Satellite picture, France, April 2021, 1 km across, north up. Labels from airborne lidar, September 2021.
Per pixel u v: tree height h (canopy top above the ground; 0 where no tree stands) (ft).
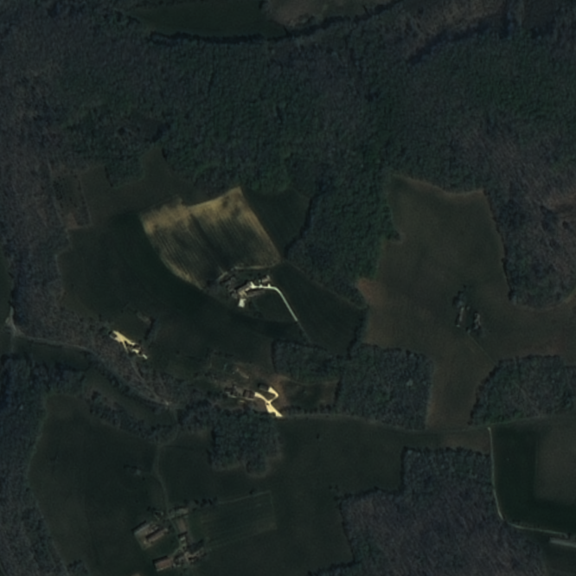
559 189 62
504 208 83
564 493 0
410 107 52
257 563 0
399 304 0
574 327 0
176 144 81
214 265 0
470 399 0
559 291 73
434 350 0
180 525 0
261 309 0
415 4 21
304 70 52
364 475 0
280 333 0
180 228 0
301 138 74
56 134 36
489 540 73
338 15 0
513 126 71
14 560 44
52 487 0
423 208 0
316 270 68
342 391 66
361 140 69
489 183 67
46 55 49
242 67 76
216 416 80
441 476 65
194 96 80
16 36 24
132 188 0
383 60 70
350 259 77
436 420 0
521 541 74
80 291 0
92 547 0
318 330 0
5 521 44
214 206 0
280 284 0
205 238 0
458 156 85
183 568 20
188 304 0
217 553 0
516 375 48
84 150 27
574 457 0
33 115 51
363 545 56
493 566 62
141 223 0
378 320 0
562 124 78
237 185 60
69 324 41
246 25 0
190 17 0
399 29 29
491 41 64
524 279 70
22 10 56
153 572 0
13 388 76
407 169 73
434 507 84
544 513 0
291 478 0
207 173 26
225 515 0
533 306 47
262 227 0
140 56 82
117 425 43
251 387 0
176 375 0
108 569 0
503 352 0
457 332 0
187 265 0
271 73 75
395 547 71
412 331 0
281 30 0
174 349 0
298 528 0
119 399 0
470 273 0
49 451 0
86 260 0
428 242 0
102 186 0
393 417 56
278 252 0
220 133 83
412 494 54
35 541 28
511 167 67
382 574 61
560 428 0
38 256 32
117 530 0
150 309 0
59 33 68
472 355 0
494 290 0
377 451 0
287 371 65
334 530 0
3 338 0
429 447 0
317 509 0
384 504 52
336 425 0
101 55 80
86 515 0
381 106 88
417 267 0
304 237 52
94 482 0
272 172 84
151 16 0
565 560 0
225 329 0
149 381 50
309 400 0
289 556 0
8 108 36
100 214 0
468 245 0
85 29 84
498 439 0
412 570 66
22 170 39
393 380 60
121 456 0
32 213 30
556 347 0
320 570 0
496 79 58
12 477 62
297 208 0
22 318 48
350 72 23
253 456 80
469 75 61
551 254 74
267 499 0
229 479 0
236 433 68
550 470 0
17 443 66
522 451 0
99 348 33
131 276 0
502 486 0
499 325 0
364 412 60
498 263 0
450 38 57
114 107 55
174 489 0
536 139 70
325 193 68
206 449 0
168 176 0
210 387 0
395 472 0
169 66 77
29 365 47
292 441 0
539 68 66
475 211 0
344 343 0
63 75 46
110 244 0
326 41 45
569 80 57
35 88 21
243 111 66
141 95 64
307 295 0
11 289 0
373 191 66
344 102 50
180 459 0
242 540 0
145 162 0
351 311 0
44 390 59
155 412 42
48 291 51
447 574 61
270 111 76
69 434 0
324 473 0
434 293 0
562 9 47
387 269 0
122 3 74
